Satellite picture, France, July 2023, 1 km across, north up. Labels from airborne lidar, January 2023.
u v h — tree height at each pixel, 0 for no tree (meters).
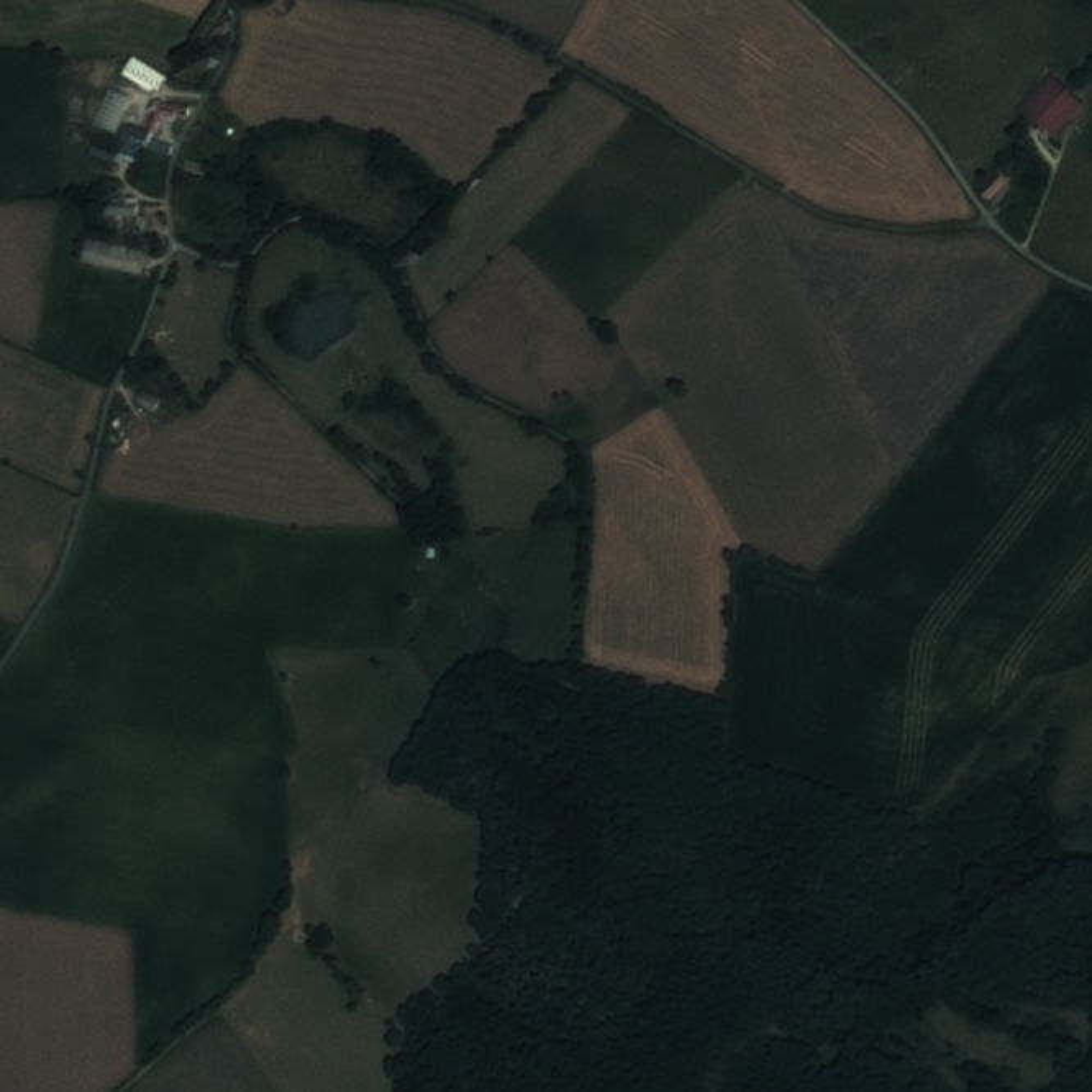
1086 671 0
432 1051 22
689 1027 14
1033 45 0
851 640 0
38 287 0
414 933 0
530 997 25
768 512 0
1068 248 0
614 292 0
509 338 0
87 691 0
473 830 0
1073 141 0
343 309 0
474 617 0
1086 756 0
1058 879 30
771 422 0
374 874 0
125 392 0
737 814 22
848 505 0
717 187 0
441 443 0
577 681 18
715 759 20
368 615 0
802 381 0
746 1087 11
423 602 0
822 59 0
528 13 0
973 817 6
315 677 0
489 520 0
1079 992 16
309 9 0
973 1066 11
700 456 0
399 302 17
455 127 0
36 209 0
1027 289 0
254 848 0
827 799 19
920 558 0
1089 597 0
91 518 0
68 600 0
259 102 0
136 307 0
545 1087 24
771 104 0
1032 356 0
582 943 21
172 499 0
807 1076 16
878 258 0
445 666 0
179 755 0
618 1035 19
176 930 0
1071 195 0
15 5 0
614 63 0
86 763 0
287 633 0
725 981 18
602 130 0
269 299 0
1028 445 0
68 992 0
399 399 11
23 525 0
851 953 16
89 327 0
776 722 0
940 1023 0
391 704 0
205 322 0
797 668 0
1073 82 13
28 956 0
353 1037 0
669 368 0
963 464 0
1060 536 0
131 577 0
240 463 0
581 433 0
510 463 0
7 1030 0
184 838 0
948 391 0
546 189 0
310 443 0
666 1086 12
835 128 0
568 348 0
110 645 0
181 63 18
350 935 0
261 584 0
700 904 22
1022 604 0
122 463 0
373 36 0
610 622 0
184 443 0
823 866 18
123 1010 0
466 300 0
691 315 0
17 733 0
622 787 22
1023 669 0
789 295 0
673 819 19
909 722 0
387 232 0
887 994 27
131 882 0
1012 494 0
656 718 20
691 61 0
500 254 0
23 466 0
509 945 21
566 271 0
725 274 0
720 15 0
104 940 0
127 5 0
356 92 0
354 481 0
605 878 31
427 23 0
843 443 0
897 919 24
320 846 0
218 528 0
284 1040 0
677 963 12
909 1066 20
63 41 0
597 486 0
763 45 0
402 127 0
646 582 0
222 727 0
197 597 0
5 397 0
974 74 0
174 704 0
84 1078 0
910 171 0
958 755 0
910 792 0
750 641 0
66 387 0
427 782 15
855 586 0
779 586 0
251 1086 0
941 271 0
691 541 0
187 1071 0
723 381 0
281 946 0
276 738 0
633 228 0
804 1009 23
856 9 0
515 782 26
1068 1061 16
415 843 0
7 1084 0
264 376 0
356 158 0
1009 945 24
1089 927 22
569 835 21
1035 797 11
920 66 0
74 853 0
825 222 0
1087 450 0
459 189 9
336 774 0
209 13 12
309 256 0
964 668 0
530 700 17
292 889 8
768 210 0
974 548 0
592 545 16
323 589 0
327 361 0
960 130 0
